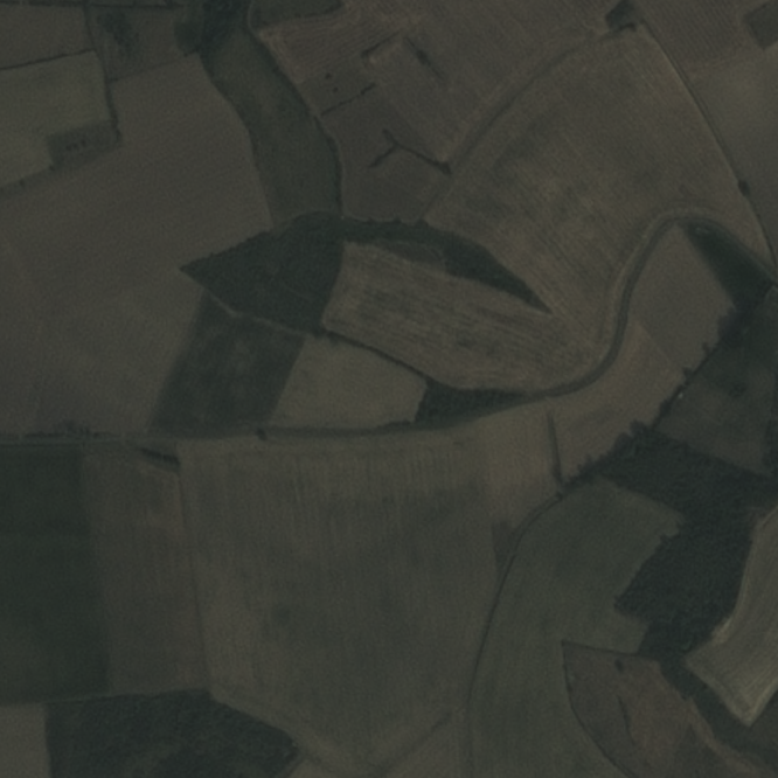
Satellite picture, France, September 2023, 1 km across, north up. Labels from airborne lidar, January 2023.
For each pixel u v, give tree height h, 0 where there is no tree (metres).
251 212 0
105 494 0
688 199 0
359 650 0
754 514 0
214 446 0
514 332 0
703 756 0
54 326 0
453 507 0
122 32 8
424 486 0
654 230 0
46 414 0
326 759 0
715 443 0
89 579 0
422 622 0
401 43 0
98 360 0
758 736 0
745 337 0
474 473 0
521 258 0
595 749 0
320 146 0
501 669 0
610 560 0
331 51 0
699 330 0
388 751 0
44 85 0
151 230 0
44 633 0
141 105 0
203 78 0
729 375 0
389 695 0
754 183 0
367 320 0
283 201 0
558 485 20
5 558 0
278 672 0
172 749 0
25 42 0
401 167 0
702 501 6
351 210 0
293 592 0
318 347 0
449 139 0
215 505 0
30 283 0
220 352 0
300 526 0
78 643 0
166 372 0
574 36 0
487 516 0
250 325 0
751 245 0
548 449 0
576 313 0
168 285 0
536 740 0
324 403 0
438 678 0
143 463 0
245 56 0
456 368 0
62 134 0
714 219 0
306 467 0
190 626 0
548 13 0
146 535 0
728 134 0
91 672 0
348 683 0
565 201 0
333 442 0
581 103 0
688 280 0
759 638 0
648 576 6
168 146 0
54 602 0
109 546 0
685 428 0
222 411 0
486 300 0
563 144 0
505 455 0
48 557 0
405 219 0
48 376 0
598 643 0
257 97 0
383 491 0
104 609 0
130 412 0
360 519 0
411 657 0
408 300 0
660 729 0
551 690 0
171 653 0
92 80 0
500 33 0
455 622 0
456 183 0
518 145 0
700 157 0
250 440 0
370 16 0
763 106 0
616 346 0
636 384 0
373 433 0
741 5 0
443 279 0
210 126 0
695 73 0
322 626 0
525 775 0
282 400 0
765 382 0
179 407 0
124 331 0
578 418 0
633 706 0
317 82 0
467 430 0
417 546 0
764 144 0
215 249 0
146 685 0
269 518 0
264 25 0
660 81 0
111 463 0
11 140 0
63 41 0
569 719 0
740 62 0
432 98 0
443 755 0
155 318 0
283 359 0
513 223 0
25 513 0
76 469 0
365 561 0
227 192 0
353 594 0
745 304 18
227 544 0
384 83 0
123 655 0
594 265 0
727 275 0
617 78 0
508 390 0
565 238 0
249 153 0
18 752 0
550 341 0
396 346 0
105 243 0
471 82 0
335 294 0
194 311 0
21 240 0
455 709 0
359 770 0
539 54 0
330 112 0
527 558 0
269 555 0
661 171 0
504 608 0
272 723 0
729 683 0
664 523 0
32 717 0
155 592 0
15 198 0
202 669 0
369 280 0
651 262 0
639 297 0
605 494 0
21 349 0
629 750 0
